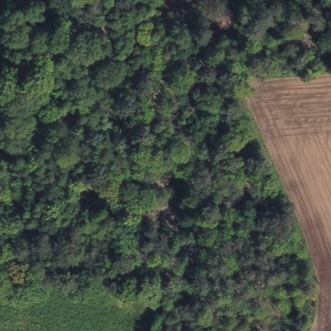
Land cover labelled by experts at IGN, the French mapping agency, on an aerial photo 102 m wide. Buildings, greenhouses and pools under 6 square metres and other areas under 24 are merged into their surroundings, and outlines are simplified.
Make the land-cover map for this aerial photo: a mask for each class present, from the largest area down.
<instances>
[{"label":"coniferous trees","instance_id":"1","mask_svg":"<svg viewBox=\"0 0 331 331\"><path fill-rule=\"evenodd\" d=\"M52 0H0V94L4 91L5 81H14L17 87H23L27 81L34 78L36 53L30 61L22 59L21 63L14 62L17 54H27L34 49L37 37L44 34L54 35L61 27L62 23L59 22L57 13L50 8ZM153 26L163 25L165 36L171 35L173 28H186L191 36V44L198 53L180 61H169L167 66L162 62V57L156 56L154 69L150 65L141 66L132 76H124L118 87L109 89L112 102L109 111L105 112L107 118L103 119L102 129L80 124L79 111L69 112L50 123L43 122L41 116L34 112V132L28 133L25 138H9L5 131V118L8 115L0 111V163H17L19 160L30 163L31 159H39L43 154V145L49 131L62 128L66 124L65 136L54 144L52 155L45 163L57 162L62 155L79 156V162L69 169V177L62 187L63 198H70L71 184L84 182L91 186L80 194L79 209L72 217L70 225L59 229L56 226V219L45 220L52 206L36 204L34 200L27 199V186H21V195L16 200L10 199L9 190H5L4 194L0 193V296L3 300L32 303L58 290L70 299L98 296L106 288L112 294L122 295L125 291L129 295H140L144 283L159 284L165 288L175 278V274L184 275L187 283H193L199 270L197 262L200 246H212L216 240L230 239L233 235L247 238L255 226V221L262 224L265 219L273 220L278 215H284L292 204L283 193L286 187L262 141L264 137L255 116L247 107L246 101L256 93L255 88L250 87V83H255L256 80L284 79L294 75L308 81L318 79L322 74L331 75V0H154L150 4V12H147ZM198 93L221 96L224 102L221 105L220 122L216 125V133H207L203 140L207 147L206 159H195L191 175L182 180L168 171L156 182H142L134 178H127L122 184L119 181H110L112 165L122 162H127L128 165L136 164L133 154L150 151L151 155L156 156L158 151H163V160H168L173 146L190 144L186 140V137H193L190 128L198 120L209 118L212 114L199 109L194 98ZM132 185L136 186L138 191L155 190L158 207L142 215L141 222L137 225L136 251L122 253L116 250L109 240L93 239L91 233H84L83 226L91 224L94 217L102 211L106 212L112 221L127 219V209L119 208L118 195L119 189L127 190ZM69 47L61 53L54 54L52 58L53 63L58 65L74 52L79 35L84 37L85 43L102 37L101 27L92 23H80L78 18L74 17L70 22ZM110 65V58L105 57L89 65L88 79H96L98 72Z\"/></svg>","mask_w":331,"mask_h":331},{"label":"deciduous trees","instance_id":"2","mask_svg":"<svg viewBox=\"0 0 331 331\"><path fill-rule=\"evenodd\" d=\"M154 0H52L50 8L57 13L59 22L62 23L61 27L54 35L44 34L37 37L34 49L27 54H17L14 62L21 63L22 59L30 61L36 53L34 78L27 81L23 87H17L14 81H5L4 91L0 94V111L8 115L5 118V131L9 138H25L28 133L34 132V112L41 116L43 122L50 123L69 112L79 111L80 124L102 129L103 119L107 118L105 112L109 111L112 102L109 89L118 87L124 76H132L141 66L150 65L154 69L156 56L162 57V62L167 66L169 61H180L198 53L191 44V36L186 28H173L171 35L165 36L163 25L153 26L147 12H150V4ZM74 17L78 18L80 23H92L101 27L102 37L85 43L84 37L79 35L74 52L58 65L53 63L52 58L54 54L61 53L69 47L70 22ZM105 57L110 58V65L98 72L96 79H88L89 65ZM194 98L199 109L212 114L209 118L198 120L190 128L193 137H186V140L190 144L173 146L168 160H163V151H158L156 156L151 155L150 151L133 154L136 164L128 165L127 162H122L112 165L110 181H119L122 184L127 178H134L142 182H156L168 171L182 180L191 175L195 159H206L207 147L203 140L207 133H216V125L220 122L221 105L224 102L221 96L198 93ZM66 124L62 128L49 131L43 145V154L39 159H31L30 163L19 160L17 163H0V193L4 194L5 190H9L10 199L16 200L21 195V186H27V199L34 200L36 204L52 206L45 220L56 219V226L59 229L70 225L72 217L79 209L80 194L91 186L84 182L71 184L70 198H63L62 187L69 177V169L79 162V156L62 155L57 162L45 163L52 155L54 144L65 136ZM119 208L127 209V219L112 221L106 212L102 211L94 217L91 224L83 226L84 233H91L93 239L109 240L116 250L122 253L136 251L137 225L141 222L142 215L158 207L155 190L138 191L136 186L132 185L127 190L119 189L118 195Z\"/></svg>","mask_w":331,"mask_h":331},{"label":"agricultural land","instance_id":"3","mask_svg":"<svg viewBox=\"0 0 331 331\"><path fill-rule=\"evenodd\" d=\"M250 87L255 88L256 93L246 101L247 107L255 116L264 137L262 141L286 187L283 193L292 204L295 206L297 221L300 222L310 255L313 257L319 281L318 313L315 315L312 331H331V75L322 74L318 79L308 81L294 75L284 79L256 80L255 83H250ZM112 294L106 288L98 296L70 299L58 290L32 303L3 300L0 296V331H151L155 319L163 314V306L151 309L150 306L146 308L144 304L132 305L131 312L128 313L127 309L107 305V299Z\"/></svg>","mask_w":331,"mask_h":331},{"label":"brushwood","instance_id":"4","mask_svg":"<svg viewBox=\"0 0 331 331\"><path fill-rule=\"evenodd\" d=\"M199 270L193 283H187L184 275L175 274V278L165 288L159 284L144 283L140 295H129L125 291L122 295L112 294L107 299V305L127 309L128 313L131 312L132 305L144 304L146 308L150 306L151 309L163 306V314L155 319L151 331H312L315 315L318 313L319 281L313 257L310 255L300 222L297 221L295 206L292 204L284 215H278L273 220L265 219L262 224L255 221V226L247 238L233 235L230 239L216 240L212 246H200L197 262Z\"/></svg>","mask_w":331,"mask_h":331}]
</instances>
